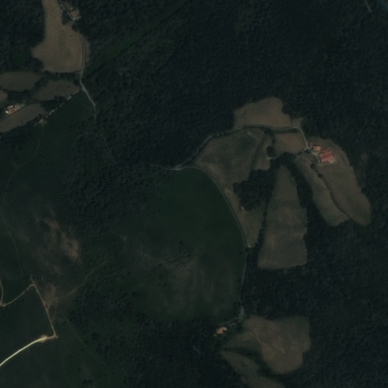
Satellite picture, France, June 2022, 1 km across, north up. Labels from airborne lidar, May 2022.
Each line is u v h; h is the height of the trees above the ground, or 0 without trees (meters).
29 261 0
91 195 18
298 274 15
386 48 12
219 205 0
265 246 0
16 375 0
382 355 15
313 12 22
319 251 11
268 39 15
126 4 19
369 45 9
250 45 15
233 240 0
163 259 0
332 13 19
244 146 0
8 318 0
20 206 0
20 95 9
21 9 18
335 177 0
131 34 12
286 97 7
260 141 0
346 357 24
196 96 18
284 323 0
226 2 20
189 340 13
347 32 21
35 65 17
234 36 9
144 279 0
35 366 0
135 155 17
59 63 0
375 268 6
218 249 0
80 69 0
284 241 0
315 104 24
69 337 0
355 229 11
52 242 0
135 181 9
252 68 15
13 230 0
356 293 15
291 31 19
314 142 0
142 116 18
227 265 0
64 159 0
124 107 13
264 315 10
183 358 23
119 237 0
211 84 18
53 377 0
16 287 0
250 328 0
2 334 0
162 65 19
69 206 12
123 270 9
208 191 0
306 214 0
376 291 16
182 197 0
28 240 0
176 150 18
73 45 0
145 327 17
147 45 19
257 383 0
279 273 13
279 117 0
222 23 21
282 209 0
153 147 16
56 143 0
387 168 16
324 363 19
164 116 18
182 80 16
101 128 30
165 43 18
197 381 19
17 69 11
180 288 0
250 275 19
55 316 0
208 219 0
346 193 0
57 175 0
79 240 0
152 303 0
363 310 11
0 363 0
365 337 21
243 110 0
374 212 9
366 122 7
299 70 11
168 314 0
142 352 9
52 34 0
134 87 20
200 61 21
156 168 8
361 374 10
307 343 0
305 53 22
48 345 0
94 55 13
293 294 23
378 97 12
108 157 19
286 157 17
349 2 22
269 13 9
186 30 23
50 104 15
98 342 12
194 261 0
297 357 0
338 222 0
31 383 0
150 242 0
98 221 15
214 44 18
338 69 19
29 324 0
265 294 23
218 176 0
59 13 0
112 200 14
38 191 0
